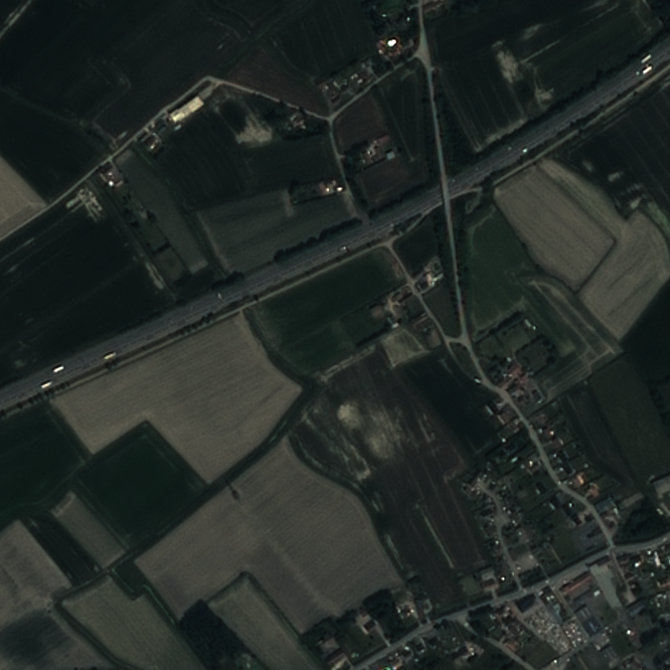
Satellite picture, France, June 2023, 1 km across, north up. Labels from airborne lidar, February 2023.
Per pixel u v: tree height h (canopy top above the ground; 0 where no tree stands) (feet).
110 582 0
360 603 0
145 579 0
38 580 0
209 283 0
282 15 0
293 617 0
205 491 0
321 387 0
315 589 0
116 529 0
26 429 0
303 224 0
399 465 0
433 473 0
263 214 0
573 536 0
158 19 0
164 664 0
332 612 0
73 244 0
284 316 0
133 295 0
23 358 0
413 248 0
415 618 0
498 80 0
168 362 0
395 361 0
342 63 0
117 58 0
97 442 0
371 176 0
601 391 0
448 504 0
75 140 0
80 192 0
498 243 0
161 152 20
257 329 0
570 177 0
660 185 0
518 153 0
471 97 0
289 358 0
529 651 0
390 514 0
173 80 0
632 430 0
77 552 0
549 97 0
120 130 0
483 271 0
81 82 0
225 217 0
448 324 0
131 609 0
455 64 0
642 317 0
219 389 0
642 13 0
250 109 0
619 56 0
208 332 0
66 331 0
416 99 0
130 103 0
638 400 0
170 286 0
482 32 0
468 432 0
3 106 0
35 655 0
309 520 0
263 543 0
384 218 0
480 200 0
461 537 0
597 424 0
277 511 0
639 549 0
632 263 0
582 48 0
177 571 0
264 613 0
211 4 0
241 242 0
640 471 0
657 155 0
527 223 0
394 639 30
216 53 0
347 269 0
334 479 0
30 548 0
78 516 0
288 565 0
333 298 0
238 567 0
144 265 0
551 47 0
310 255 0
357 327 0
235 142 0
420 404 0
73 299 0
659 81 0
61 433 0
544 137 0
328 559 0
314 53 0
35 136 0
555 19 0
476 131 0
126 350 0
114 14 0
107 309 0
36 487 0
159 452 0
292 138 33
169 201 0
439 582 0
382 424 0
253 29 0
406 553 0
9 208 0
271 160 0
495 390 0
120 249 0
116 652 0
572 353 0
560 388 0
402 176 0
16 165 0
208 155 0
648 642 66
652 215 0
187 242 0
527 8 0
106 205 0
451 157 41
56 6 0
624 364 0
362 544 0
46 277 0
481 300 0
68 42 0
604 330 0
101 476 0
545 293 0
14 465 0
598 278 0
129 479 0
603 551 0
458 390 0
